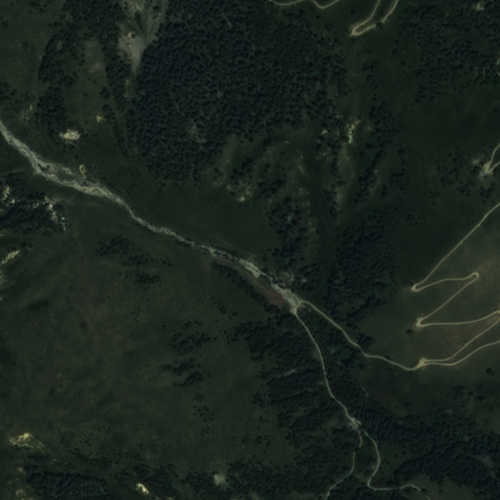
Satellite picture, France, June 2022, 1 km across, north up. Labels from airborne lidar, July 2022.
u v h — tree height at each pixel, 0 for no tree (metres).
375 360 0
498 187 0
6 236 0
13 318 0
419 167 0
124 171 0
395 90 0
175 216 0
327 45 17
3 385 0
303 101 23
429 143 0
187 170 16
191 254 0
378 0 0
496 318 0
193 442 0
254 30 11
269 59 16
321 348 17
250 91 24
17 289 0
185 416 0
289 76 18
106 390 0
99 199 0
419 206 0
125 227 0
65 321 0
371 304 24
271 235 0
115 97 8
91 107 0
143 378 0
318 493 12
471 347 0
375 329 0
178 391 0
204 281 0
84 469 0
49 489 24
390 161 0
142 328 0
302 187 0
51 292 0
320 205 0
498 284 0
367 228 9
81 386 0
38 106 12
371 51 8
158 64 22
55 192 0
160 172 13
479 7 0
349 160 0
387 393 0
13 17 0
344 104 0
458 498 0
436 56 7
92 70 0
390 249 8
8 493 0
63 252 0
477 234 0
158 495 12
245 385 0
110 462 10
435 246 0
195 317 0
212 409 0
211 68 25
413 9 12
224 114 22
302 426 12
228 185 0
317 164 0
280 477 14
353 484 16
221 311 7
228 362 0
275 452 0
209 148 22
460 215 0
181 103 14
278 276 6
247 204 0
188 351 6
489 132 0
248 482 10
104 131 0
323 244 0
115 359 0
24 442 0
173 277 0
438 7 10
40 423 0
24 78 0
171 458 0
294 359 14
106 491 21
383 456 0
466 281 0
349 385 11
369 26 0
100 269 0
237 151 0
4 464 0
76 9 14
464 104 0
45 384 0
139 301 0
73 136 0
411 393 0
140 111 19
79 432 0
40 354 0
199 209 0
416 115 0
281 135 0
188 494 0
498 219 0
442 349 0
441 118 0
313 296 0
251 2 15
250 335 6
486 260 0
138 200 0
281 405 14
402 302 0
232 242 0
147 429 0
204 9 18
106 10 22
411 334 11
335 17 0
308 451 9
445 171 8
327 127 19
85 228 0
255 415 0
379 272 24
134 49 0
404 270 0
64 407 0
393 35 0
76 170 0
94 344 0
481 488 23
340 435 18
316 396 18
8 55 0
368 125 0
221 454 0
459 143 0
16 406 0
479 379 0
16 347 0
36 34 0
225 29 24
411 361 0
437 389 0
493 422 0
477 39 0
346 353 0
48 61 13
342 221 0
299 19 20
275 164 0
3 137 0
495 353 0
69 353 0
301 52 19
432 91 10
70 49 12
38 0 10
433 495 0
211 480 11
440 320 0
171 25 23
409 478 15
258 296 14
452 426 6
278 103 16
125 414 0
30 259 0
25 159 0
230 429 0
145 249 0
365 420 23
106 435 0
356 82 0
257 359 11
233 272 12
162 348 0
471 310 0
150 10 0
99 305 0
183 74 25
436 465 25
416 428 13
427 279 0
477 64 23
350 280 13
